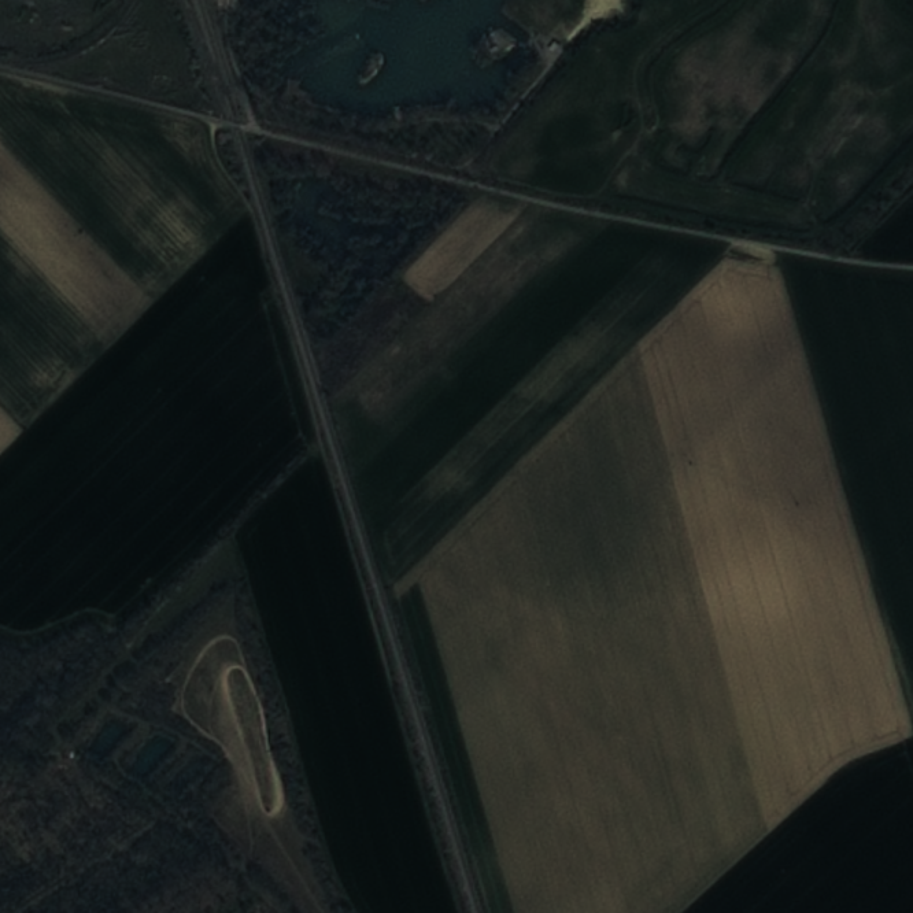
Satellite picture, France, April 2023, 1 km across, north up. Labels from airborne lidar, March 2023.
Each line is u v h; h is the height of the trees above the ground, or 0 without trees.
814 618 0
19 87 0
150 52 0
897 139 0
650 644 0
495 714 0
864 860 0
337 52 0
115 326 0
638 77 0
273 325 0
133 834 21
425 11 0
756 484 0
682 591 0
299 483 0
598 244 0
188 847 17
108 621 0
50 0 0
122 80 0
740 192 0
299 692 0
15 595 0
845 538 0
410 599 0
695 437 0
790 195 0
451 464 0
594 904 0
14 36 0
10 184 0
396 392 0
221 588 6
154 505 0
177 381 0
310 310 19
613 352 0
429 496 0
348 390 0
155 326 0
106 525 0
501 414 0
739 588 0
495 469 0
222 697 0
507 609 0
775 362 0
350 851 0
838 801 0
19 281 0
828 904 0
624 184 0
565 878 0
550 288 0
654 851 0
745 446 0
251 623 8
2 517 0
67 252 0
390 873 0
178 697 0
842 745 0
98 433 0
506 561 0
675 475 0
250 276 0
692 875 0
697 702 0
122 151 0
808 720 0
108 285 0
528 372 0
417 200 20
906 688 0
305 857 8
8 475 0
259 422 0
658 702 0
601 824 0
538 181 0
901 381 0
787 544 0
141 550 0
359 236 8
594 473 0
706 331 0
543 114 0
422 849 0
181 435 0
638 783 0
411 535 0
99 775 10
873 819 0
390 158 21
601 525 0
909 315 0
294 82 0
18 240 0
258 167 9
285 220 14
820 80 0
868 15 0
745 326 0
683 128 0
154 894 28
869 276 0
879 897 0
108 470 0
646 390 0
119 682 13
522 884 0
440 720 0
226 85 0
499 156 0
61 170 0
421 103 0
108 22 0
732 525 0
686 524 0
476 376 0
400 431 0
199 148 0
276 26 17
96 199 0
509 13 0
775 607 0
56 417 0
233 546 0
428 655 0
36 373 0
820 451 0
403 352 0
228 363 0
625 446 0
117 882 19
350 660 0
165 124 0
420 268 0
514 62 0
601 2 0
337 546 0
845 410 0
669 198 0
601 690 0
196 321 0
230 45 13
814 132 0
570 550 0
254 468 0
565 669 0
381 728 0
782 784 0
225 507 0
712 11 0
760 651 0
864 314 0
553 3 0
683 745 0
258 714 0
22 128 0
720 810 0
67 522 0
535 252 0
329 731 0
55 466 0
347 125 17
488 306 0
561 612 0
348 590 0
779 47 0
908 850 0
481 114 13
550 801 0
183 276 0
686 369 0
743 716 0
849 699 0
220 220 0
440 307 0
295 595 0
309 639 0
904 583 0
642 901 0
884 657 0
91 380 0
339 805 0
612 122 0
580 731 0
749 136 0
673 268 0
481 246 0
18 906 21
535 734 0
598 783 0
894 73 0
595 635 0
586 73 0
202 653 0
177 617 0
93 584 0
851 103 0
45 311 0
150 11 0
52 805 7
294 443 0
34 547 0
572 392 0
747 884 0
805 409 0
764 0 0
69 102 0
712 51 0
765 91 0
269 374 0
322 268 9
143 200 0
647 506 0
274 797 0
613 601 0
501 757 0
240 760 0
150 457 0
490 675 0
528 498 0
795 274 0
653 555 0
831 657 0
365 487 0
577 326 0
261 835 0
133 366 0
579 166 0
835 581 0
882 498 0
